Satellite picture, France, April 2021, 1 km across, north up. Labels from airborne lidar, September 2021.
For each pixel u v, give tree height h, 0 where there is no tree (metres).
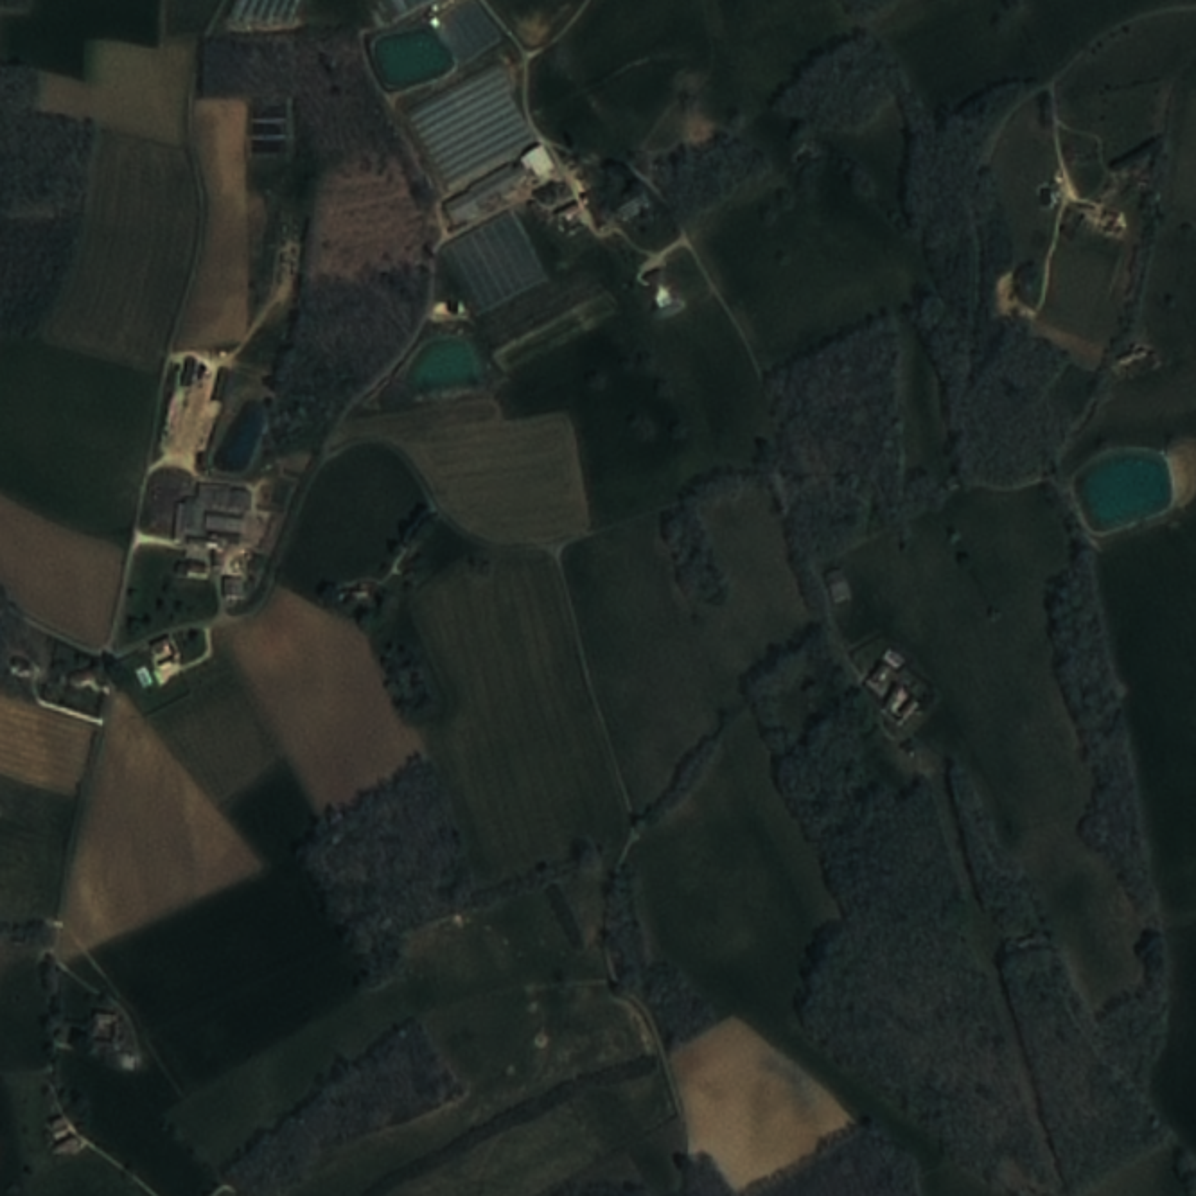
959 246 13
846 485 19
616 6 0
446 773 0
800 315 0
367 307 18
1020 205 0
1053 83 0
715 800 0
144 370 0
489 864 0
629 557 0
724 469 0
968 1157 14
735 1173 0
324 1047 0
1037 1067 16
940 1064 19
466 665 0
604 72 0
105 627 0
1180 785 0
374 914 19
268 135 0
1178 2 0
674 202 17
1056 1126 17
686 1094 0
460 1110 0
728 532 0
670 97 0
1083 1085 15
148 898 0
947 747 0
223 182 0
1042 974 18
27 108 18
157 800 0
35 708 14
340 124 9
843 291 0
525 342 0
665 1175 0
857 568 0
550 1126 0
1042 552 0
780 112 16
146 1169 0
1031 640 0
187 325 0
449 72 0
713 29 0
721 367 0
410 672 13
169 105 0
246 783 0
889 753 0
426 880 20
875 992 20
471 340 0
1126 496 0
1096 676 23
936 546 0
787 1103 0
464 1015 0
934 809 17
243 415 0
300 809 0
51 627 0
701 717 0
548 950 0
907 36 0
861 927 25
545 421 0
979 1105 16
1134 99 0
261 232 0
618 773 0
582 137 0
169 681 0
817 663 25
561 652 0
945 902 19
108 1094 0
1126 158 8
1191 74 0
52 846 0
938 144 18
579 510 0
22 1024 0
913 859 18
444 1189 0
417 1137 0
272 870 0
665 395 10
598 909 0
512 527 0
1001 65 0
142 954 0
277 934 0
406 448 0
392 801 19
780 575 0
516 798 0
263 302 0
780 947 0
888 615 0
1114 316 0
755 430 0
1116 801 14
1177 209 0
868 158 0
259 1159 18
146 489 0
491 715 0
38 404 0
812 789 22
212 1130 0
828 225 0
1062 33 0
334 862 22
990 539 0
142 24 0
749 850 0
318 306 18
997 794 0
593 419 0
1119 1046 16
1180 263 0
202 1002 0
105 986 0
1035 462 17
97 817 0
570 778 0
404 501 0
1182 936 0
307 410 13
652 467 0
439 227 0
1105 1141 14
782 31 0
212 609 0
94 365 0
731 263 0
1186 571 0
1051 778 0
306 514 0
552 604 0
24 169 18
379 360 18
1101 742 20
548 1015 0
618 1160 0
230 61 17
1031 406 19
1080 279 0
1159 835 0
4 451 0
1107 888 0
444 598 0
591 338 0
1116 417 0
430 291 17
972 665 0
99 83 0
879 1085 20
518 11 0
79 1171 0
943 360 22
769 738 20
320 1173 0
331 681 0
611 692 0
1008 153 0
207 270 0
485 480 0
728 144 17
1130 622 0
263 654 0
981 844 16
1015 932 21
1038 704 0
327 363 16
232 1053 0
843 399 21
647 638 0
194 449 0
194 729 0
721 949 0
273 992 0
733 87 0
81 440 0
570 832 0
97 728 0
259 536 0
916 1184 18
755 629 0
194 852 0
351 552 0
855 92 23
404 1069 21
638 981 20
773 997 0
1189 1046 0
